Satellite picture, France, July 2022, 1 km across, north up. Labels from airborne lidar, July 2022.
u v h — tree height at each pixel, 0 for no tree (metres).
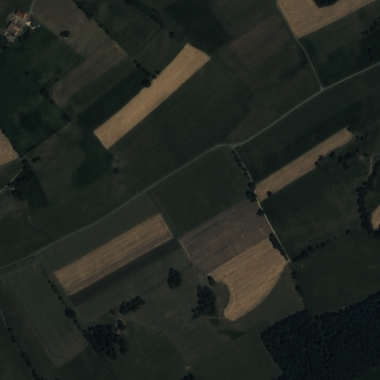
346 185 0
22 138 0
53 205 0
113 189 0
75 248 0
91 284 0
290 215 0
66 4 0
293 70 0
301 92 0
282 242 0
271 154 0
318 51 0
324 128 0
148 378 0
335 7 0
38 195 0
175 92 0
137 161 0
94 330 17
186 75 0
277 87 0
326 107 0
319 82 0
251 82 0
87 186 0
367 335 19
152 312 0
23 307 0
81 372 0
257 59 0
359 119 0
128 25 0
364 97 0
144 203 0
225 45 0
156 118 0
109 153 0
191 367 0
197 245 0
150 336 0
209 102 0
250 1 0
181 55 0
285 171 0
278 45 0
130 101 0
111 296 0
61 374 0
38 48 0
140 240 0
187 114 0
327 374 29
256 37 0
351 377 18
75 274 0
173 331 0
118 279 0
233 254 0
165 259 0
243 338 0
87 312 0
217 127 0
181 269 0
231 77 0
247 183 0
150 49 0
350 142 0
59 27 0
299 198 0
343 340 28
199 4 0
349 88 0
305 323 27
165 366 0
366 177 0
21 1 0
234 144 0
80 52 0
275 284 0
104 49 0
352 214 0
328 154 0
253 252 0
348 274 0
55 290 15
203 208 0
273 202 0
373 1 0
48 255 0
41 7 0
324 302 0
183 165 0
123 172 0
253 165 0
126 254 0
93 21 0
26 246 0
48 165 0
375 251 0
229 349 0
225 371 0
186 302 0
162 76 0
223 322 0
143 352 0
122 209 0
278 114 0
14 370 0
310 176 0
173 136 0
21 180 18
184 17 0
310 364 24
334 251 0
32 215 0
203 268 0
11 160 0
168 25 0
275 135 0
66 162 0
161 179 0
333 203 0
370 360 20
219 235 0
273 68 0
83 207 0
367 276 0
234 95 0
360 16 0
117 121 0
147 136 0
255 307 0
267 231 0
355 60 0
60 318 0
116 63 0
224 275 0
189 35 0
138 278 0
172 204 0
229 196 0
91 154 0
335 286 0
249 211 0
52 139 0
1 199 0
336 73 0
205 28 0
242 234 0
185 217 0
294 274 13
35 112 0
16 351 0
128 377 0
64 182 0
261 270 0
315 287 0
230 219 0
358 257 0
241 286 0
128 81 0
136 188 0
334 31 0
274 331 22
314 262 0
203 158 0
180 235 0
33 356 0
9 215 0
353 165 0
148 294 0
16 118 0
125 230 0
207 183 0
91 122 0
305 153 0
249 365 0
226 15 0
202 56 0
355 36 0
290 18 0
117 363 0
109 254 0
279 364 16
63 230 0
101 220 0
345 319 26
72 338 0
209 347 0
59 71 0
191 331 0
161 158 0
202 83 0
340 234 0
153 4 0
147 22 0
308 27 0
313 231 0
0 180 0
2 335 0
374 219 0
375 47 0
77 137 0
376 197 0
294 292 0
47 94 14
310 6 0
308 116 0
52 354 0
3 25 0
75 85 0
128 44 0
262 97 0
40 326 0
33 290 0
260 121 0
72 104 0
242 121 0
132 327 0
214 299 17
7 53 0
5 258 0
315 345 25
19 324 0
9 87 0
